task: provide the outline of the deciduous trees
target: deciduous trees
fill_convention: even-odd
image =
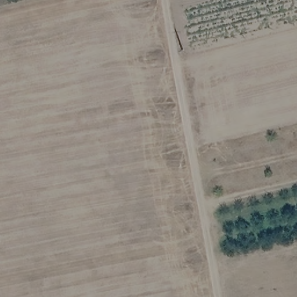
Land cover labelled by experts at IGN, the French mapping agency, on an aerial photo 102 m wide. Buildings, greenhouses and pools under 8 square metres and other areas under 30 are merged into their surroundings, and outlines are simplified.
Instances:
[[[285,204],[281,209],[271,209],[262,215],[256,211],[247,220],[241,217],[229,220],[223,224],[225,238],[219,242],[222,252],[232,256],[247,254],[256,249],[268,251],[274,244],[288,246],[297,240],[297,204]]]

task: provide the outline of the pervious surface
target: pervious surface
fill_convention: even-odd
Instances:
[[[161,2],[162,16],[172,60],[198,216],[201,219],[213,297],[222,297],[216,260],[216,245],[211,240],[210,225],[217,223],[215,211],[220,205],[251,196],[276,193],[285,188],[297,189],[297,178],[294,176],[290,180],[270,186],[222,196],[204,196],[196,151],[186,99],[187,86],[183,81],[179,45],[176,42],[171,8],[167,0],[164,0]]]

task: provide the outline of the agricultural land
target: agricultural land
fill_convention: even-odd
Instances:
[[[259,131],[267,132],[280,126],[297,123],[297,0],[167,0],[171,8],[176,42],[179,45],[183,81],[187,86],[186,99],[196,151],[205,144],[252,135]]]
[[[297,255],[278,254],[273,259],[265,256],[262,259],[262,266],[265,269],[263,271],[254,266],[251,260],[239,271],[216,260],[222,297],[297,297]]]
[[[164,0],[37,0],[30,8],[0,15],[0,297],[213,297],[201,219],[198,216],[172,60],[162,16],[161,2]]]

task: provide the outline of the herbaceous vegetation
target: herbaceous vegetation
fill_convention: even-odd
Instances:
[[[205,144],[196,151],[204,196],[222,196],[270,186],[290,180],[294,176],[297,178],[297,123],[280,126],[267,132],[259,131],[252,135]]]
[[[30,8],[37,0],[0,0],[0,15]]]
[[[288,246],[274,244],[268,251],[256,249],[247,254],[232,256],[222,252],[219,242],[225,238],[223,224],[229,220],[241,217],[247,220],[256,211],[262,215],[271,209],[281,209],[285,204],[297,204],[297,189],[285,188],[276,193],[251,196],[220,205],[215,211],[217,223],[210,225],[211,240],[216,245],[216,260],[239,271],[251,260],[254,266],[263,271],[265,269],[262,266],[262,259],[265,256],[273,259],[278,254],[297,255],[297,240]]]

